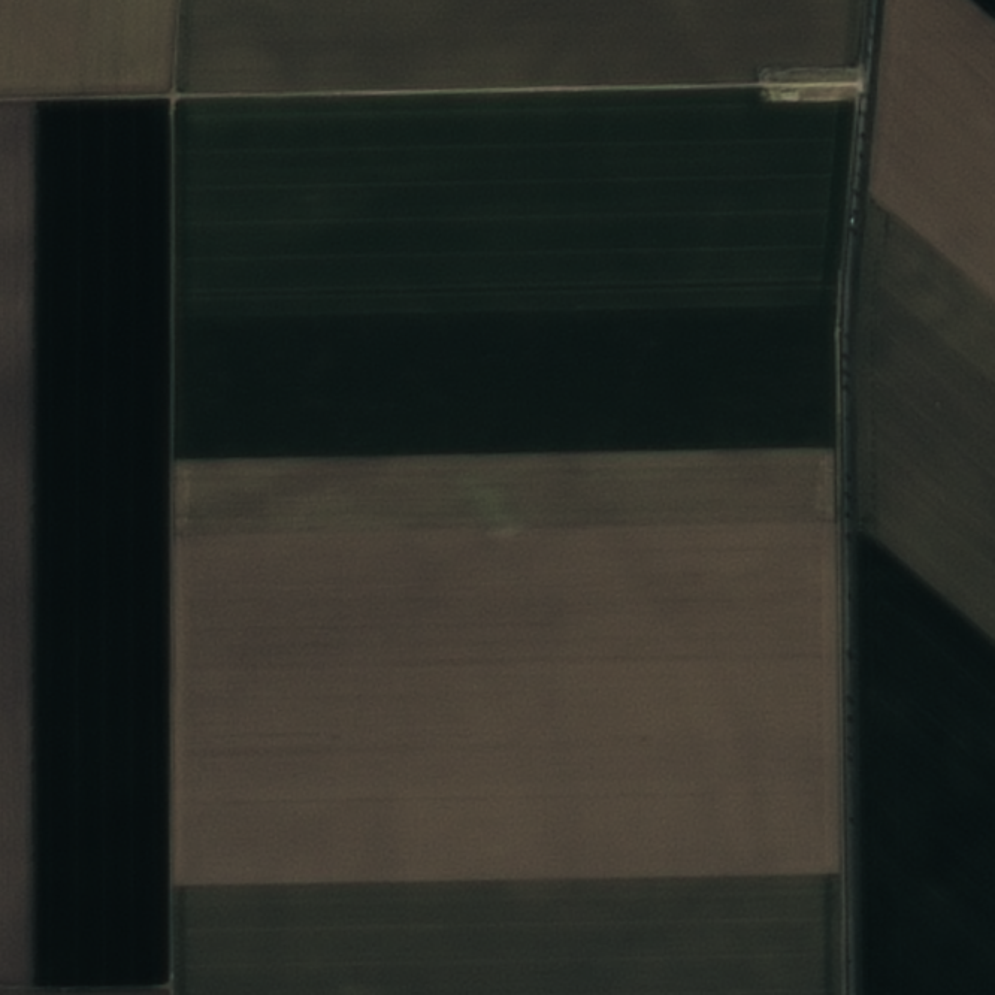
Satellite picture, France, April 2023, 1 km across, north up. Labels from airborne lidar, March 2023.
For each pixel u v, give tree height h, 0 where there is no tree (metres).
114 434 0
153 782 0
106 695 0
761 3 0
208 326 0
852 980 0
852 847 0
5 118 0
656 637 0
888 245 0
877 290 0
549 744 0
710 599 0
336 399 0
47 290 0
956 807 0
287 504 0
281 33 0
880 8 0
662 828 0
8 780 0
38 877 0
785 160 0
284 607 0
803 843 0
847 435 0
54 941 0
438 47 0
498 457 0
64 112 0
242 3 0
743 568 0
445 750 0
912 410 0
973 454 0
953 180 0
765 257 0
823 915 0
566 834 0
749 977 0
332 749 0
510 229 0
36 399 0
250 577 0
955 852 0
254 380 0
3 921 0
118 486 0
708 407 0
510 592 0
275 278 0
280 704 0
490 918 0
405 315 0
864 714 0
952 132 0
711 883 0
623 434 0
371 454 0
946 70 0
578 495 0
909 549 0
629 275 0
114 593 0
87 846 0
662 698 0
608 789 0
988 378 0
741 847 0
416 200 0
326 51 0
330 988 0
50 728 0
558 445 0
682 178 0
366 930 0
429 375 0
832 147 0
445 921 0
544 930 0
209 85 0
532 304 0
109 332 0
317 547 0
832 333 0
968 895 0
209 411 0
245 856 0
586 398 0
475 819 0
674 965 0
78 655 0
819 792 0
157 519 0
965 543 0
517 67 0
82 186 0
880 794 0
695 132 0
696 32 0
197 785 0
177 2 0
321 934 0
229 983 0
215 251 0
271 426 0
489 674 0
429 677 0
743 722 0
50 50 0
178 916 0
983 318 0
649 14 0
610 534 0
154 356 0
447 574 0
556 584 0
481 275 0
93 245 0
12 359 0
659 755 0
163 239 0
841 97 0
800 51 0
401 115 0
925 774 0
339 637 0
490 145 0
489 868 0
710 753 0
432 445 0
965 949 0
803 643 0
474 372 0
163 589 0
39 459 0
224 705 0
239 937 0
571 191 0
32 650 0
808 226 0
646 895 0
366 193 0
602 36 0
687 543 0
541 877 0
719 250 0
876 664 0
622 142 0
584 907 0
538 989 0
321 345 0
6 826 0
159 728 0
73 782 0
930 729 0
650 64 0
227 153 0
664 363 0
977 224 0
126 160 0
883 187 0
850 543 9
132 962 0
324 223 0
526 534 0
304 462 0
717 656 0
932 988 0
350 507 0
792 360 0
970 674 0
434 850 0
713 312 0
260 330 0
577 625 0
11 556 0
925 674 0
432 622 0
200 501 0
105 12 0
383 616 0
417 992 0
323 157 0
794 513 0
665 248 0
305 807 0
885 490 0
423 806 0
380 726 0
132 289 0
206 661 0
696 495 0
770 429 0
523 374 0
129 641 0
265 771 0
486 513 0
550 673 0
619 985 0
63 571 0
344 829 0
